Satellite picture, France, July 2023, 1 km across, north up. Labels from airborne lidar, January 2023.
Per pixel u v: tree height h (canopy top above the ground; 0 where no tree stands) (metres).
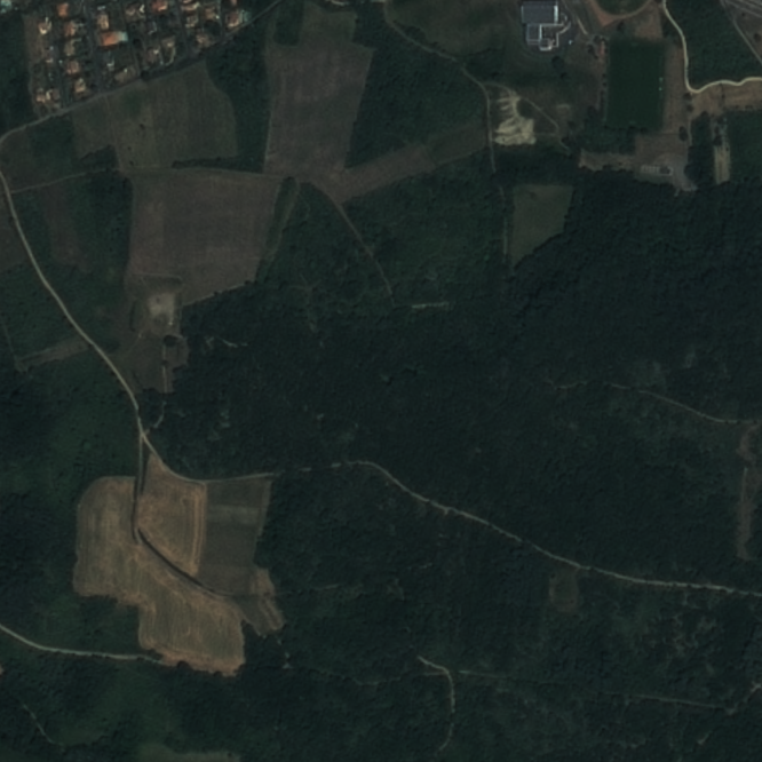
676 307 15
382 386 17
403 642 15
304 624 13
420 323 17
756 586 9
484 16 0
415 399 12
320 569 11
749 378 11
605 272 20
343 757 11
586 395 11
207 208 0
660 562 9
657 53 0
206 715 12
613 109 0
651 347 7
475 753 7
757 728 14
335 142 0
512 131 0
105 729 7
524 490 8
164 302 0
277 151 0
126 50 10
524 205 0
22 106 7
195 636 0
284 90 0
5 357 10
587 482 9
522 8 0
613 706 8
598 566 7
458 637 8
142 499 0
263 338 10
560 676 21
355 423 7
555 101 0
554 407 9
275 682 19
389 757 17
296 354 9
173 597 0
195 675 8
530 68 0
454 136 0
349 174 0
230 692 8
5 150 0
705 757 11
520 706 6
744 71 6
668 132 0
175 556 0
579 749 6
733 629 10
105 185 7
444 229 7
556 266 18
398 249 11
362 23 12
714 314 12
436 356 18
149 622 0
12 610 12
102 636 5
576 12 0
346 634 10
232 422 7
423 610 12
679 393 6
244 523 0
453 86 8
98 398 10
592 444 5
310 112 0
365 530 8
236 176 0
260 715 12
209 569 0
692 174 16
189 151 0
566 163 16
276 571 12
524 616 6
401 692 13
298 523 21
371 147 9
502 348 19
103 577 0
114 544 0
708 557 10
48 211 0
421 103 7
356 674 8
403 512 6
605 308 13
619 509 15
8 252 0
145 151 0
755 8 0
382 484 10
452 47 0
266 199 0
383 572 15
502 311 18
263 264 10
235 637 0
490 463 8
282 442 10
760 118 9
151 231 0
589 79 0
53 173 0
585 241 15
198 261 0
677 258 12
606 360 7
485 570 8
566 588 0
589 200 14
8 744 22
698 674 15
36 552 16
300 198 6
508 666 6
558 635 10
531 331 20
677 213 16
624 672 6
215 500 0
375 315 9
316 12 0
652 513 15
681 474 14
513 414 13
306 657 11
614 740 7
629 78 0
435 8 0
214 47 11
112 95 0
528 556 14
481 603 8
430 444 9
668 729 11
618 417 9
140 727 8
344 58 0
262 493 0
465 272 11
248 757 7
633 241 19
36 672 7
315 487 19
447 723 11
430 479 8
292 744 16
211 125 0
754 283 17
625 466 12
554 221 0
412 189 6
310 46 0
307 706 12
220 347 6
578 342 11
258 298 9
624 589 7
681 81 0
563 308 16
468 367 18
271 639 13
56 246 0
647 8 0
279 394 11
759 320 11
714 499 11
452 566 16
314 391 13
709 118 10
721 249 18
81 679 13
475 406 13
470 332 20
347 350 10
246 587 0
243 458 14
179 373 12
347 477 9
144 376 0
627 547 10
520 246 0
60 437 7
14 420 19
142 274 0
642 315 16
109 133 0
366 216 6
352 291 10
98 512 0
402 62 6
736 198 13
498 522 8
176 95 0
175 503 0
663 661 10
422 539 9
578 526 9
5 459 8
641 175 0
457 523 11
